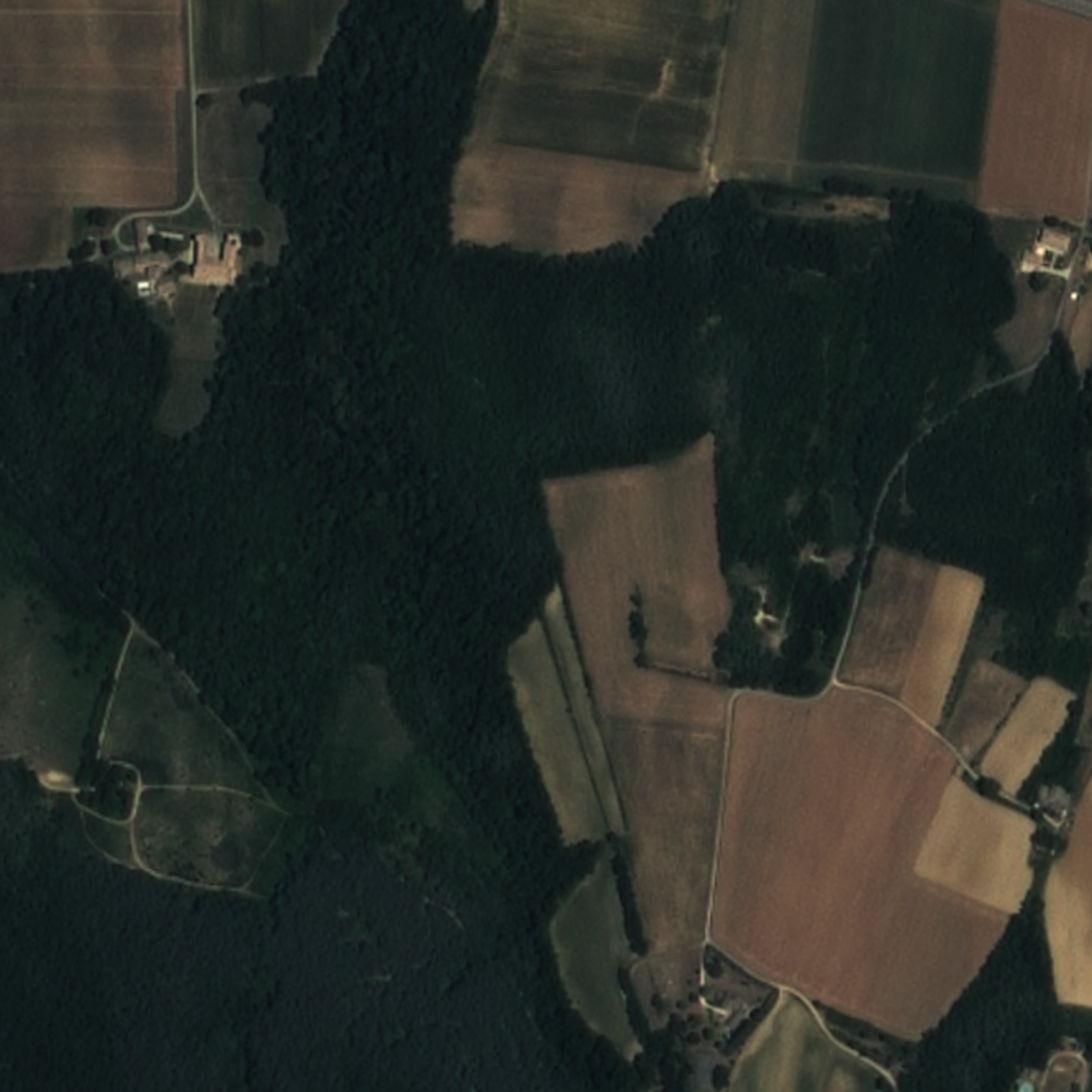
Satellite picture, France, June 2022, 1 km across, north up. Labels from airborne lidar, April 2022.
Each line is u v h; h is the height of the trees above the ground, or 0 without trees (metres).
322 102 23
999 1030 8
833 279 13
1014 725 0
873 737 0
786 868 0
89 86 0
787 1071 0
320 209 22
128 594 21
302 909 13
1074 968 0
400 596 16
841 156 0
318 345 24
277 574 18
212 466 12
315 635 16
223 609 16
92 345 9
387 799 11
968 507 10
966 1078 8
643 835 0
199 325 0
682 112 0
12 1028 8
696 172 0
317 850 13
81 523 25
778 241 16
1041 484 9
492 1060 11
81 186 0
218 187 0
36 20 0
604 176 0
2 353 12
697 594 0
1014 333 0
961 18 0
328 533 15
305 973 16
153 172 0
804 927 0
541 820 17
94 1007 13
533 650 0
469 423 8
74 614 7
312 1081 17
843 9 0
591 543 0
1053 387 8
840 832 0
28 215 0
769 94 0
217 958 18
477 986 14
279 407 18
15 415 11
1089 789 0
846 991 0
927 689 0
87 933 14
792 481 6
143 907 16
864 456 11
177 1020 15
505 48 0
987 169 0
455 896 10
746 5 0
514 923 17
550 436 12
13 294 14
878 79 0
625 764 0
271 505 11
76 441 17
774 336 10
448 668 24
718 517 9
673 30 0
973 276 10
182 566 12
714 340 8
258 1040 19
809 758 0
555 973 9
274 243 0
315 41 0
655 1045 12
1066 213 0
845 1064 0
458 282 11
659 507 0
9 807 9
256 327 11
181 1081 14
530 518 10
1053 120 0
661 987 0
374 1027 16
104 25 0
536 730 0
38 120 0
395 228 20
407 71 18
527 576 13
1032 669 12
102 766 12
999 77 0
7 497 14
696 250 13
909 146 0
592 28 0
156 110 0
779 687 11
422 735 15
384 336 19
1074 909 0
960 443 13
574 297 12
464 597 23
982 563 9
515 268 14
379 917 14
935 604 0
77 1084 15
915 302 7
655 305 10
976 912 0
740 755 0
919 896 0
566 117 0
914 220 11
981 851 0
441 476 11
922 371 7
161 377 12
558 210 0
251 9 0
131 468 16
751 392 13
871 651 0
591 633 0
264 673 13
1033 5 0
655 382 14
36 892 15
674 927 0
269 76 0
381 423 17
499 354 10
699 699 0
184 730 0
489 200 0
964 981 0
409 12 15
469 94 16
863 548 9
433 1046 15
